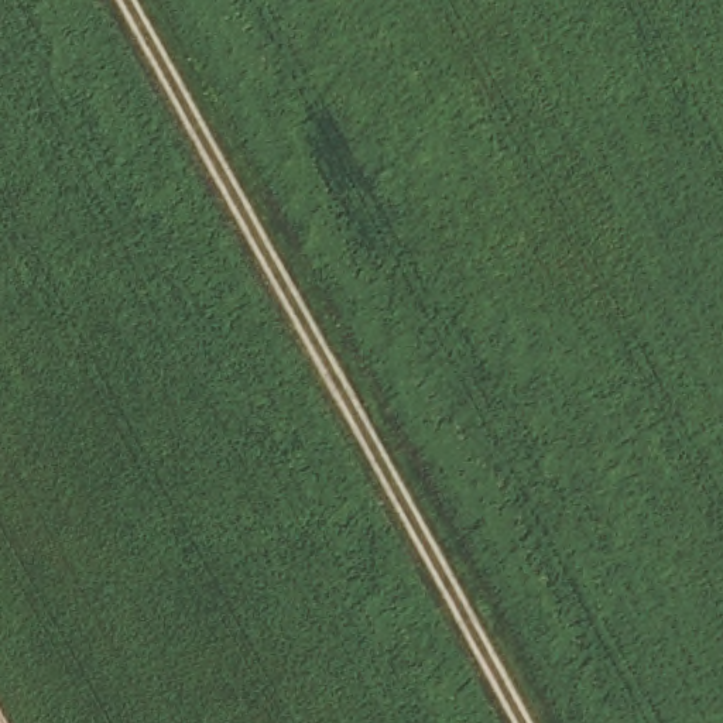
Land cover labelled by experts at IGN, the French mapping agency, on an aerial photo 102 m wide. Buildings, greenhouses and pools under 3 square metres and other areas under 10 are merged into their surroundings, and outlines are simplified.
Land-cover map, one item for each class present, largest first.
<instances>
[{"label":"agricultural land","instance_id":"1","mask_svg":"<svg viewBox=\"0 0 723 723\"><path fill-rule=\"evenodd\" d=\"M0 723H508L474 655L469 652L452 613L446 610L432 576L426 573L418 551L412 548L404 525L398 522L350 426L345 424L330 393L325 390L316 367L311 364L299 336L294 333L282 305L277 302L265 274L260 271L249 243L243 240L234 217L229 215L220 192L215 189L203 161L198 158L189 136L184 133L175 110L169 107L153 68L147 65L141 48L136 45L113 0H0ZM172 62L178 65L192 99L198 102L209 130L215 133L226 161L232 164L240 186L246 189L257 217L263 220L274 249L280 251L288 274L305 297L319 330L325 333L330 350L347 373L381 443L387 446L426 525L432 528L441 551L446 554L460 587L466 590L514 686L520 689L531 712L528 723H723V0H141Z\"/></svg>","mask_w":723,"mask_h":723},{"label":"pervious surface","instance_id":"2","mask_svg":"<svg viewBox=\"0 0 723 723\"><path fill-rule=\"evenodd\" d=\"M136 45L141 48L147 65L153 68L169 107L175 110L184 133L189 136L198 158L203 161L215 189L220 192L229 215L234 217L243 240L249 243L260 271L265 274L277 302L282 305L294 333L299 336L311 364L316 367L325 390L330 393L345 424L350 426L398 522L404 525L412 548L418 551L426 573L432 576L446 610L452 613L469 652L474 655L508 723H528L531 712L520 689L514 686L466 590L460 587L446 554L441 551L432 528L426 525L387 446L381 443L347 373L330 350L325 333L319 330L305 297L288 274L280 251L274 249L263 220L257 217L246 189L240 186L232 164L226 161L215 133L209 130L198 102L192 99L178 65L172 62L141 0H113Z\"/></svg>","mask_w":723,"mask_h":723}]
</instances>
